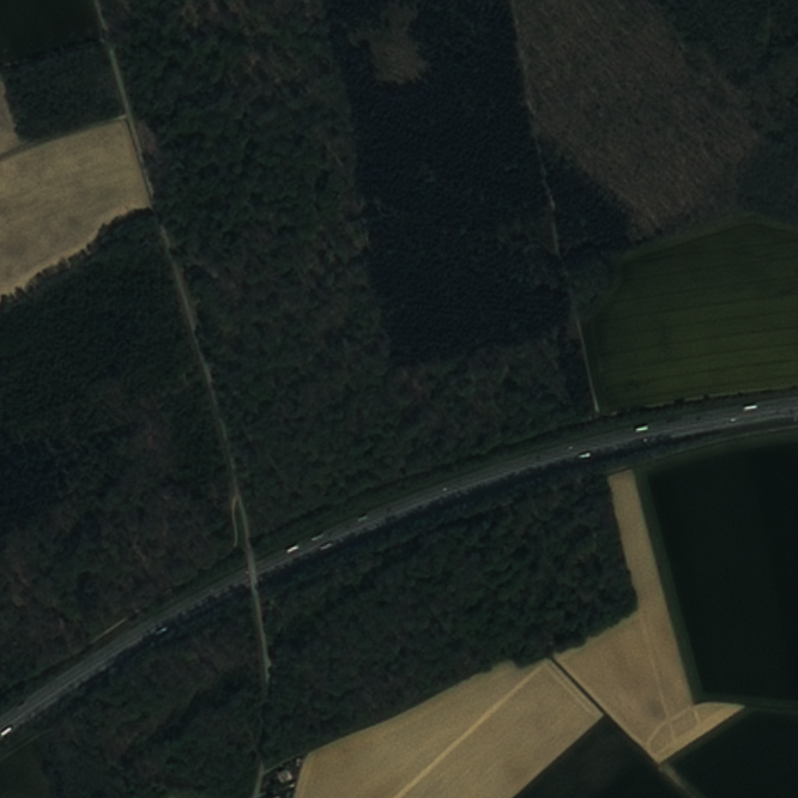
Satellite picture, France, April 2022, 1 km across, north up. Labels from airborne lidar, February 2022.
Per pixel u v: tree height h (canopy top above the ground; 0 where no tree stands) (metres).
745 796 0
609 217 21
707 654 0
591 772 0
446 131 21
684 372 0
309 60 30
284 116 26
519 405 28
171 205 26
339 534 0
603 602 31
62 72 19
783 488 0
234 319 27
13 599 27
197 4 32
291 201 25
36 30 0
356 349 32
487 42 20
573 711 0
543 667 0
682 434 0
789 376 0
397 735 0
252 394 28
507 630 26
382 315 23
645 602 0
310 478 28
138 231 22
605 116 0
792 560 0
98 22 0
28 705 0
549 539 30
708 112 24
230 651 31
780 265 0
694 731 0
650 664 0
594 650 0
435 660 27
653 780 0
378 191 25
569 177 23
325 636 32
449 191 22
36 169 0
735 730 0
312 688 26
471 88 20
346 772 0
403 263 21
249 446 25
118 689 24
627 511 0
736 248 0
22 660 18
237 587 0
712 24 18
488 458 20
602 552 12
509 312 22
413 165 23
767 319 0
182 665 32
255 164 27
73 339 14
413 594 29
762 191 18
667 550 0
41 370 12
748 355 0
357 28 24
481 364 31
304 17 29
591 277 22
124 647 0
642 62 0
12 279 0
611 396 0
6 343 16
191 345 10
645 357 0
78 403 12
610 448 0
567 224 21
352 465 31
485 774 0
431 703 0
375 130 22
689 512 0
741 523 0
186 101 27
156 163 21
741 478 0
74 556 29
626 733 0
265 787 0
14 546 29
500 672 0
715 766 0
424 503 0
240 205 29
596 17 0
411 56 0
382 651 29
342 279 30
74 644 25
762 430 0
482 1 19
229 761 29
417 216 23
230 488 19
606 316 0
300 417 26
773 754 0
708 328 0
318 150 33
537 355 32
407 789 0
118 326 16
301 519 19
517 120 25
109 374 18
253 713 12
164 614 0
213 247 28
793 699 0
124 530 29
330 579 22
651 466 0
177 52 9
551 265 21
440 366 27
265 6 28
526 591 14
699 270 0
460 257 20
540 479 15
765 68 19
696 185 0
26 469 26
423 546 24
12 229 0
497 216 20
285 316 27
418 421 29
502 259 21
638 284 0
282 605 15
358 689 30
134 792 13
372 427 30
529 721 0
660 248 0
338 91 29
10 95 10
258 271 31
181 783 13
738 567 0
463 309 20
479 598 27
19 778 0
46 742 19
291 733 27
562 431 15
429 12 21
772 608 0
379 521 0
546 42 0
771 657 0
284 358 27
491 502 19
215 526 27
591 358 0
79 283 15
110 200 0
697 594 0
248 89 32
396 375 28
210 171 24
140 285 12
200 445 10
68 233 0
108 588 28
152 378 13
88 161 0
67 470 7
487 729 0
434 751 0
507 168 18
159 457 22
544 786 0
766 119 20
